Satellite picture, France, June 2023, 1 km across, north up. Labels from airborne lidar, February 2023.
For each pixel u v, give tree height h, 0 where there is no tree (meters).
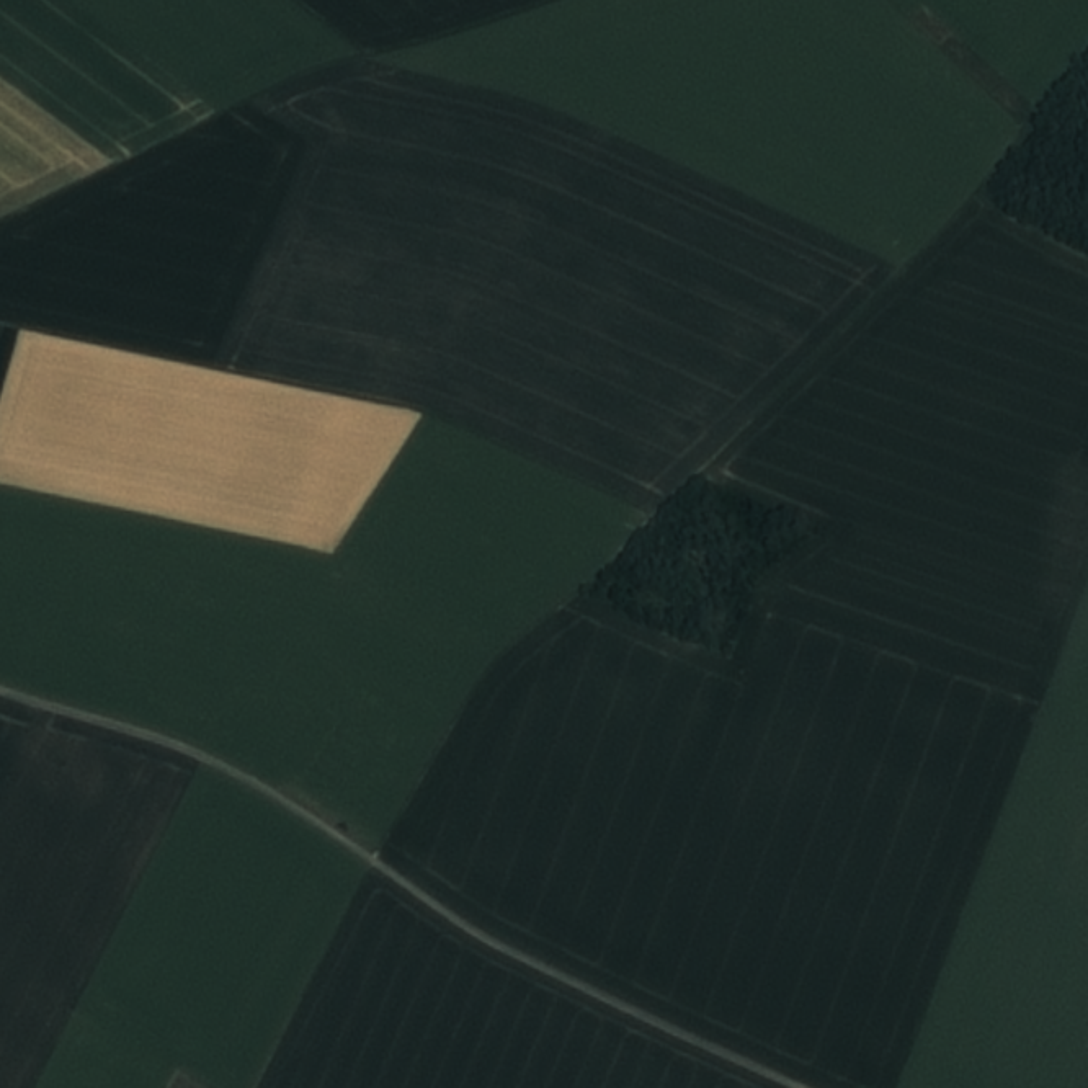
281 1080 0
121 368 0
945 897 0
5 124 0
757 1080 0
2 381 0
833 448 0
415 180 0
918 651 0
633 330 0
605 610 0
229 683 0
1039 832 0
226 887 0
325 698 0
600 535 0
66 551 0
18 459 0
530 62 0
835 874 0
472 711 0
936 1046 0
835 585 0
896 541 0
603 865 0
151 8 0
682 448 0
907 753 0
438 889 0
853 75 0
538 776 0
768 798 0
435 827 0
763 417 0
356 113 0
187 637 0
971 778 0
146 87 0
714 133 0
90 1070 0
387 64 0
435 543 0
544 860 0
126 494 0
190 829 0
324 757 0
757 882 0
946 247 0
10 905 0
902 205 0
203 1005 0
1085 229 18
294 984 0
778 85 0
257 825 0
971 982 0
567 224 0
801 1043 0
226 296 0
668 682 0
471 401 0
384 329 0
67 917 0
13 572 0
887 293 0
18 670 0
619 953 0
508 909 0
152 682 0
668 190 0
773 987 0
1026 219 16
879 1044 0
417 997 0
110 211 0
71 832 0
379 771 0
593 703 0
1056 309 0
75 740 0
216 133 0
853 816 0
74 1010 0
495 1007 0
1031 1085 0
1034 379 0
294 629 0
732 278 0
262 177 0
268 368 0
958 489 0
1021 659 0
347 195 0
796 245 0
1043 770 0
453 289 0
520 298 0
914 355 0
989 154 0
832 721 0
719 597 22
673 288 0
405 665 0
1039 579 0
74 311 0
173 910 0
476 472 0
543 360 0
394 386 0
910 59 0
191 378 0
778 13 0
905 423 0
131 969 0
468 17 0
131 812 0
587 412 0
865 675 0
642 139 0
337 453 0
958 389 0
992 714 0
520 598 0
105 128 0
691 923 0
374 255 0
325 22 0
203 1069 0
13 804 0
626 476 0
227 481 0
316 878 0
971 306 0
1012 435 0
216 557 0
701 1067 0
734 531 15
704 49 0
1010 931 0
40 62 0
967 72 0
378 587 0
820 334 0
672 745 0
